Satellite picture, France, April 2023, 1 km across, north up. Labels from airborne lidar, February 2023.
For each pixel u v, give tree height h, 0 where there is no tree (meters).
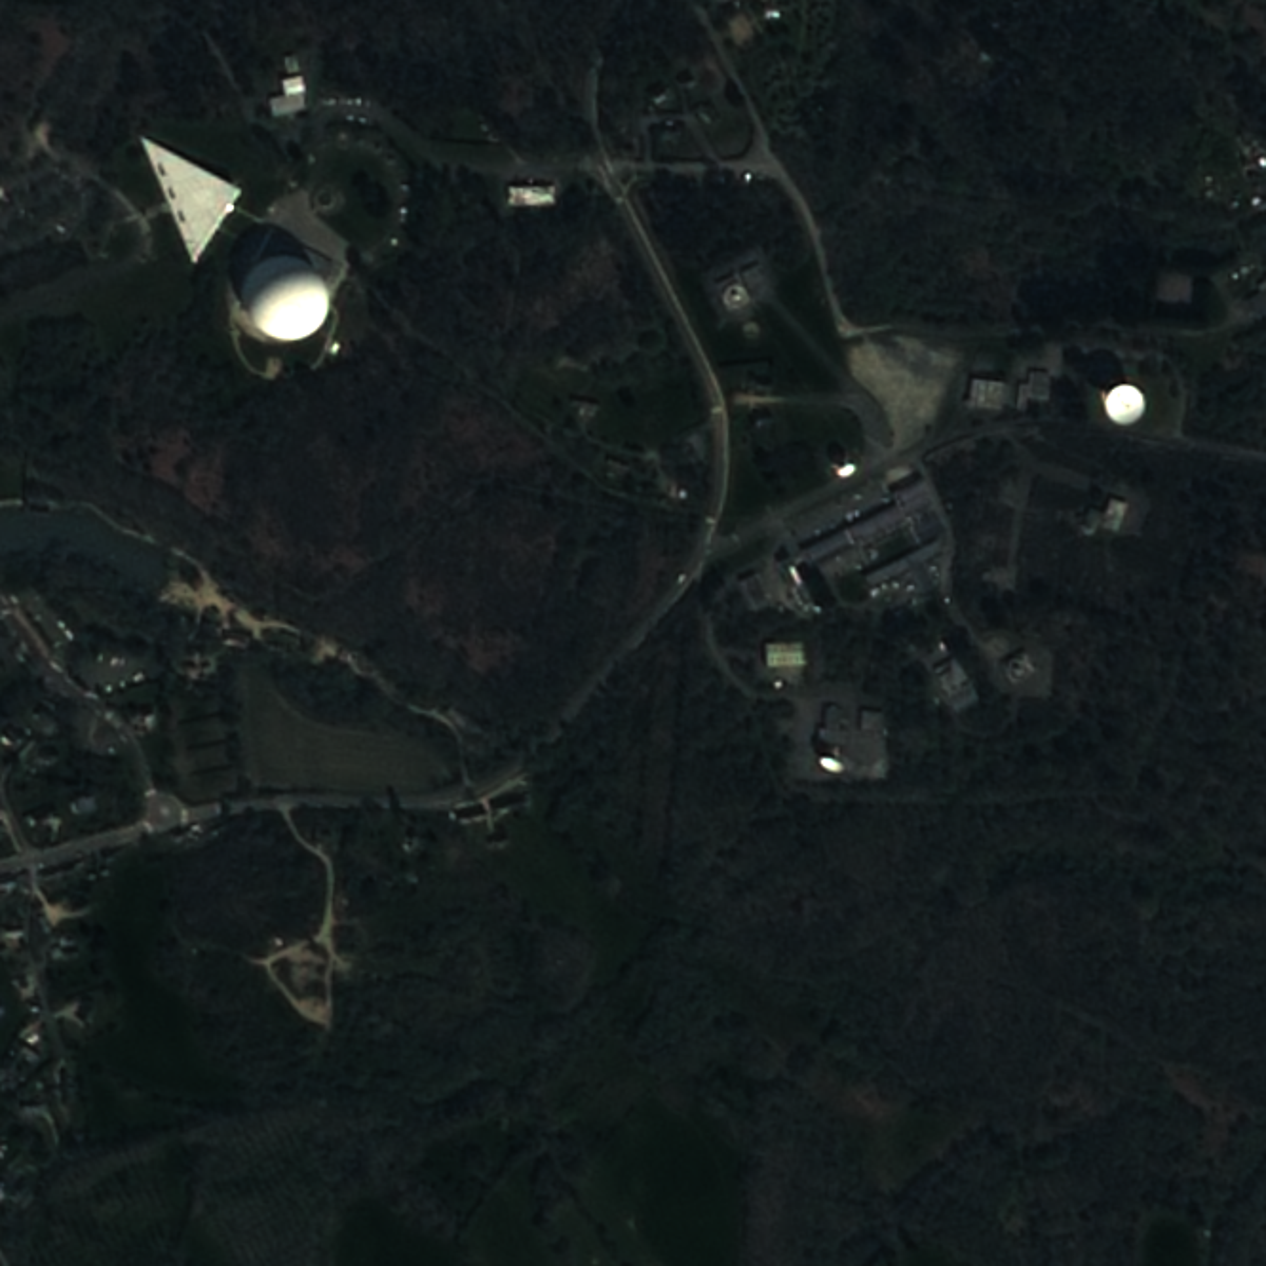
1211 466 5
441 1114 11
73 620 11
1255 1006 14
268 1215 29
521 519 0
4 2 9
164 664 13
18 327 0
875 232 9
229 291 0
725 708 16
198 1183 18
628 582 12
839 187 11
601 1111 0
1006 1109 17
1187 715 12
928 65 13
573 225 19
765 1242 13
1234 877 10
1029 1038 11
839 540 0
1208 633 8
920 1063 21
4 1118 9
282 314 0
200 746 0
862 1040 14
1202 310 13
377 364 0
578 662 16
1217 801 11
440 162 0
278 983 0
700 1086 14
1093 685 7
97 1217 0
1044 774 11
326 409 0
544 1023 10
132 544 0
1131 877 7
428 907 0
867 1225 6
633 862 0
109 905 0
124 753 0
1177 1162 10
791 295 0
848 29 8
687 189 15
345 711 16
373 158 0
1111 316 17
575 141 12
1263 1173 9
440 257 11
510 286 14
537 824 0
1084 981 12
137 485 15
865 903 19
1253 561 0
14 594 0
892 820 11
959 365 0
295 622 12
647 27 23
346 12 21
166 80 15
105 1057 0
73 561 8
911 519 0
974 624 0
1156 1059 10
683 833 13
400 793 0
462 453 0
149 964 0
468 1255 11
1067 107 6
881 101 11
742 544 0
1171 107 18
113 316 0
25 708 6
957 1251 18
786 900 6
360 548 7
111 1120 0
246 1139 27
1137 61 24
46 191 12
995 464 7
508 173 0
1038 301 25
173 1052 0
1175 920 12
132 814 9
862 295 13
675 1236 0
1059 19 8
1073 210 11
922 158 9
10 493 0
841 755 0
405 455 13
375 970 0
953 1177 13
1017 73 21
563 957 12
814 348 0
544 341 6
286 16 21
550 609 10
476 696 17
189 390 7
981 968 14
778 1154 14
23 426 9
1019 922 12
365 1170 20
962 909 15
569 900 0
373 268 0
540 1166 11
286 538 0
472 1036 8
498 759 9
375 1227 0
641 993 0
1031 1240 8
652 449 0
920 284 12
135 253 0
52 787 10
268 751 0
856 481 0
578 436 6
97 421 16
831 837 12
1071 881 18
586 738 9
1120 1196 17
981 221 10
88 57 12
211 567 11
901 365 0
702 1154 0
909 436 0
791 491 0
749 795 10
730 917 17
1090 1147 13
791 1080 12
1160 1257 0
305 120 9
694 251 10
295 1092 8
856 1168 6
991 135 19
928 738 17
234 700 12
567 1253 14
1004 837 19
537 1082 6
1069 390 14
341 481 0
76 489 16
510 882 0
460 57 14
